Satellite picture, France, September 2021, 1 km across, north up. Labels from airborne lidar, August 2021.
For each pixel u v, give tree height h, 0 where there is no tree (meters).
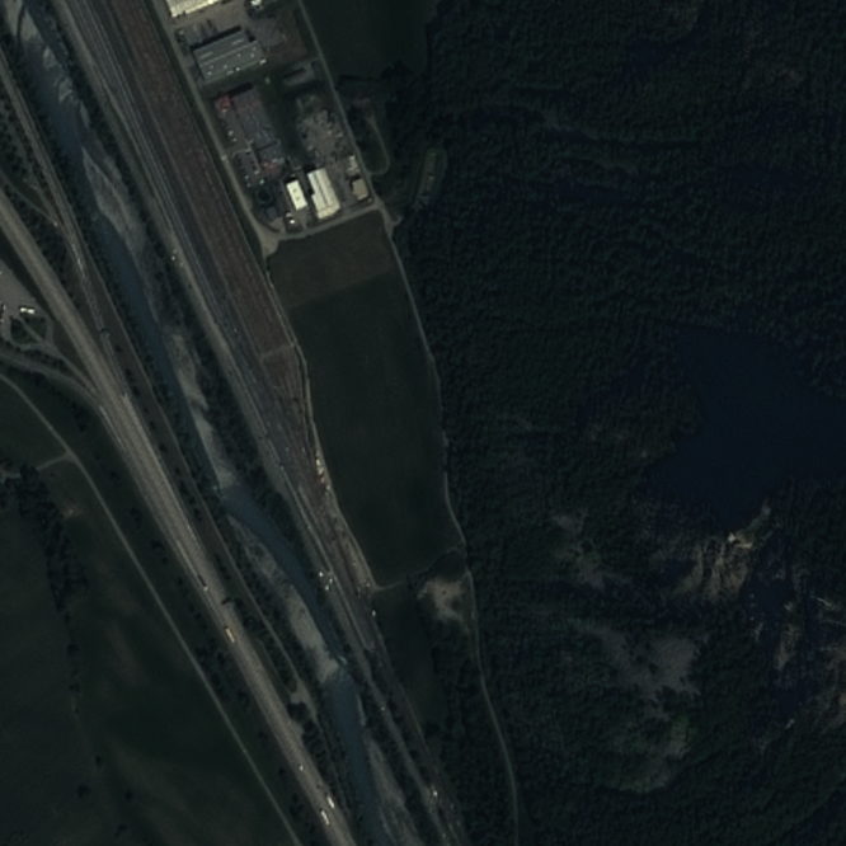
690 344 21
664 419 8
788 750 11
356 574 0
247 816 0
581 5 9
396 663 6
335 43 0
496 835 17
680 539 6
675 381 16
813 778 10
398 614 0
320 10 0
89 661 0
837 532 24
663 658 0
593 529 8
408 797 20
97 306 0
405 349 0
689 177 15
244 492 0
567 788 18
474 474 7
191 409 0
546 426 7
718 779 8
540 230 11
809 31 17
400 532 0
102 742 0
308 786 0
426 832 20
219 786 0
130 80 0
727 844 13
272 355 0
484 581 7
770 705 8
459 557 0
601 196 7
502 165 15
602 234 13
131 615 0
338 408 0
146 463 0
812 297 22
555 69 12
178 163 0
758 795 13
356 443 0
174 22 0
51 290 0
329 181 0
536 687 11
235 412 13
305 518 0
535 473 7
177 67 0
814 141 19
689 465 6
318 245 0
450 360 14
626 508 12
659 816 17
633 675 0
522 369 9
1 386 0
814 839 6
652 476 9
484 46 15
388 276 0
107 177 0
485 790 10
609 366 14
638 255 15
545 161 10
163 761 0
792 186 20
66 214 0
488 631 8
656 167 13
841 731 13
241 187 0
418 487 0
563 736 6
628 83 10
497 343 10
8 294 0
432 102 14
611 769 14
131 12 0
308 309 0
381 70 0
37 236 6
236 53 0
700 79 10
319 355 0
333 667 0
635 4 10
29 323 8
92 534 0
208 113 0
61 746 0
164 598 0
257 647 0
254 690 0
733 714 13
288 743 0
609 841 19
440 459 0
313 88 0
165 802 0
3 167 0
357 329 0
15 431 0
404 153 12
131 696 0
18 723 0
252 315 0
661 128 10
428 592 0
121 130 0
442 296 10
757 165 13
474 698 18
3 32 9
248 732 0
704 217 19
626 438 7
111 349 0
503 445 6
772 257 17
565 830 9
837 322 16
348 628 0
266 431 0
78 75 9
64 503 0
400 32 0
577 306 11
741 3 14
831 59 15
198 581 0
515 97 15
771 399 13
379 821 0
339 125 0
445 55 17
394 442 0
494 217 16
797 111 12
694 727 12
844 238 23
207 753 0
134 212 0
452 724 11
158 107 0
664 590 12
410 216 11
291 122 0
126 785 0
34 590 0
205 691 0
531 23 12
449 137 17
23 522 9
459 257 12
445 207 13
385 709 0
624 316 14
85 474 0
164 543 0
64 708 0
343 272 0
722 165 15
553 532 10
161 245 8
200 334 10
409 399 0
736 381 20
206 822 0
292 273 0
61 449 0
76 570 6
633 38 14
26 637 0
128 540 0
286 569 0
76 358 0
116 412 0
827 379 19
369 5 0
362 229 0
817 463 18
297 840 0
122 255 0
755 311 17
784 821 13
